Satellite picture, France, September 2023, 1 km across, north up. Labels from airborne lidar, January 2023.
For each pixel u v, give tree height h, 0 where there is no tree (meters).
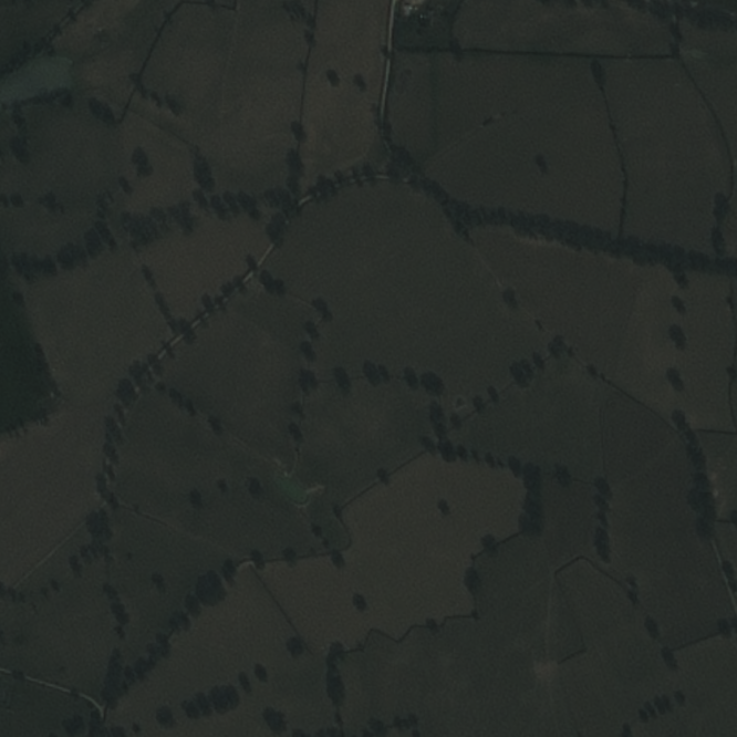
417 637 0
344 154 0
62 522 0
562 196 0
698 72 0
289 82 0
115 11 0
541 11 0
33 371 0
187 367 0
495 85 0
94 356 0
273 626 0
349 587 0
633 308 0
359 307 0
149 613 0
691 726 0
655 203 0
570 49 0
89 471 0
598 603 0
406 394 0
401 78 0
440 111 0
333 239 0
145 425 0
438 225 0
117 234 0
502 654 0
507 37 0
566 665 0
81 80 0
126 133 0
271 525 0
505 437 0
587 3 17
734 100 0
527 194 0
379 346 0
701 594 0
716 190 0
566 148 0
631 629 0
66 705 0
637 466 0
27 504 0
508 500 0
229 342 0
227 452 0
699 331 0
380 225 0
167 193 0
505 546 0
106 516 11
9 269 19
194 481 0
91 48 0
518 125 0
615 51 0
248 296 0
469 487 0
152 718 0
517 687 0
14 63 12
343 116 0
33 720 0
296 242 0
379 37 0
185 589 0
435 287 0
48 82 0
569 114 0
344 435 0
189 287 0
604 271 0
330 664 11
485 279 0
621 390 0
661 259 14
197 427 0
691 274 0
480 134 0
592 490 0
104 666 0
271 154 0
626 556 0
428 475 0
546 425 0
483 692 0
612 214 0
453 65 0
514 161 0
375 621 0
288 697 0
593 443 0
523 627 0
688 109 0
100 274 0
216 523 0
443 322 0
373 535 0
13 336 0
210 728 0
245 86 0
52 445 0
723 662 0
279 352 0
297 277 0
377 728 18
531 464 0
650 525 0
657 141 0
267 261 0
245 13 0
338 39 0
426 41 0
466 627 0
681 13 18
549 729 0
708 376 0
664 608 0
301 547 0
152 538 0
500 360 0
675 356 0
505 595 0
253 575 0
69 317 0
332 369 0
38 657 0
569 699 0
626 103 0
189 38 0
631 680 0
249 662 0
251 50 0
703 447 0
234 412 0
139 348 0
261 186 0
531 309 0
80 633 0
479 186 0
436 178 0
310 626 0
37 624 0
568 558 0
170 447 0
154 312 0
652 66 0
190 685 0
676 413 0
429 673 0
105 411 0
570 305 0
